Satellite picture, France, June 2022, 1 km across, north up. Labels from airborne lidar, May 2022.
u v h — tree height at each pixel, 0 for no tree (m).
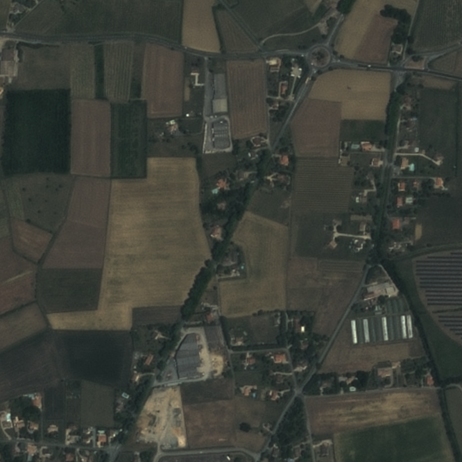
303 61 6
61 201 0
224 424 0
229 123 0
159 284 0
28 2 14
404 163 0
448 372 0
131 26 0
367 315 0
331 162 0
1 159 9
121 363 0
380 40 0
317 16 0
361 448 0
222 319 16
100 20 0
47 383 0
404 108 6
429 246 9
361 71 0
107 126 0
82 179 0
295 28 0
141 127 0
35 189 0
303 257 0
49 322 0
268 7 0
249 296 0
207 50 0
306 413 0
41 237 0
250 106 0
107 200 0
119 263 0
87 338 0
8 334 0
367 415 0
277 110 7
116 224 0
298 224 0
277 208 0
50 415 0
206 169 0
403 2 0
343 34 0
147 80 0
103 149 0
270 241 0
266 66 0
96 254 0
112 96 0
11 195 0
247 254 0
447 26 0
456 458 13
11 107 7
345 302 0
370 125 0
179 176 0
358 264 0
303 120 0
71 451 11
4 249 0
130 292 0
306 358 7
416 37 0
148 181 0
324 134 0
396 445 0
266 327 0
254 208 0
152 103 0
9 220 0
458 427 0
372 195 0
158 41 0
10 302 0
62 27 0
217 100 0
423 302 0
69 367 0
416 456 0
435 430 0
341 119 0
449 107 0
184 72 0
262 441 0
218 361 0
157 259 0
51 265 0
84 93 0
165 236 0
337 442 0
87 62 0
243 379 0
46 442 0
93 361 0
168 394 0
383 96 0
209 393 0
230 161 0
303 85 0
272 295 0
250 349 14
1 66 0
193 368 0
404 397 0
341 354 0
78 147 0
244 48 0
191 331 0
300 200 0
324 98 0
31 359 0
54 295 0
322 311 0
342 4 22
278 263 0
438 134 0
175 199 0
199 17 0
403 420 0
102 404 0
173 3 0
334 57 0
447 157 0
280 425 10
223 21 0
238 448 0
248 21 0
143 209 0
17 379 0
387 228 8
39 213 6
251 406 0
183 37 0
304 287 0
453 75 0
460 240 0
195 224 0
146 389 18
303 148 0
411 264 0
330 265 0
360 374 17
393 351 0
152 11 0
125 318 0
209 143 0
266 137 10
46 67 0
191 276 0
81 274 0
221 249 22
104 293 0
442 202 0
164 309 0
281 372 8
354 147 0
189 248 0
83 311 0
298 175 0
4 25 0
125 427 10
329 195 0
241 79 0
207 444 0
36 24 0
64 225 0
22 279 0
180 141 0
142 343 0
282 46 0
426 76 0
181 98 0
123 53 0
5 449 8
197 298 23
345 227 0
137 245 0
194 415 0
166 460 0
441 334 0
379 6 0
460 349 0
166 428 0
